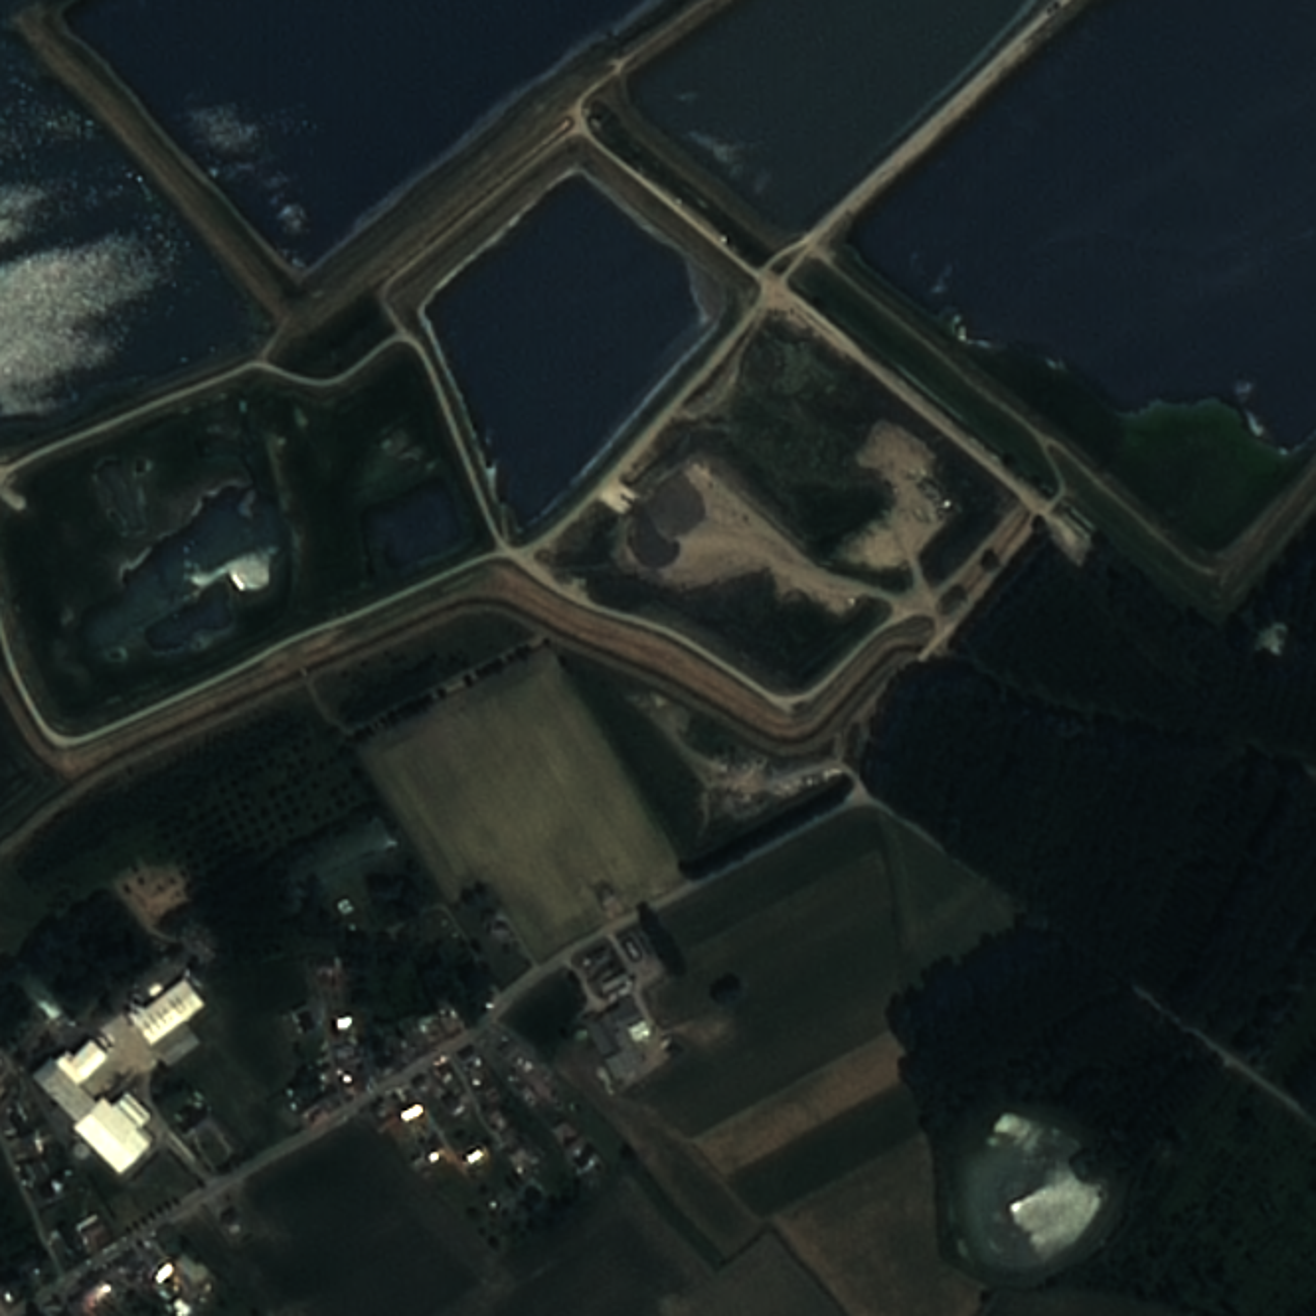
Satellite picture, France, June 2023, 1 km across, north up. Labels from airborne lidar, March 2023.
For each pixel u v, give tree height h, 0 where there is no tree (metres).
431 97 0
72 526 0
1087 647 21
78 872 0
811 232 0
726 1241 0
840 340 0
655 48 0
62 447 0
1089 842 34
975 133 0
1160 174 0
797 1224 0
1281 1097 0
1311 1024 0
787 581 0
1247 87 0
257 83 0
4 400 0
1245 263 0
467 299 0
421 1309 0
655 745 0
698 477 0
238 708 0
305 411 0
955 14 0
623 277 0
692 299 0
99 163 0
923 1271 0
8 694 0
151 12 0
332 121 0
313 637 0
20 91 0
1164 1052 5
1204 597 0
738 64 0
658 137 0
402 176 0
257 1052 0
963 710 30
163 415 0
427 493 0
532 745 0
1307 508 0
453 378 0
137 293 0
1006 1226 0
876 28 0
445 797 0
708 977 0
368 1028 0
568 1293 0
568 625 0
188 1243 10
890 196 0
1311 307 0
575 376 0
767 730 0
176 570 0
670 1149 0
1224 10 0
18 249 0
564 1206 9
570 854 0
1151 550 0
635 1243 0
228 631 0
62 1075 0
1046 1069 26
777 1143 0
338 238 0
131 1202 0
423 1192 0
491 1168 0
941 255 0
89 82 0
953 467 0
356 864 0
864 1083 0
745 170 0
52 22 0
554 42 0
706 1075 0
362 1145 0
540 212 0
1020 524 0
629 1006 0
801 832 0
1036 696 0
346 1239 0
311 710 0
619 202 0
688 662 0
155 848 0
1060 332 0
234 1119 0
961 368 0
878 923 0
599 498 0
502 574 0
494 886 0
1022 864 27
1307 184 0
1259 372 0
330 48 0
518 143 0
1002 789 34
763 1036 0
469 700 0
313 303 0
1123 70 0
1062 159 0
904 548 0
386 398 0
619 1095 0
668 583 0
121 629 0
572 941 0
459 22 0
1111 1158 6
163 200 0
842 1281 0
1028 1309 0
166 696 0
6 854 0
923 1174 0
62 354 0
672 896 0
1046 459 0
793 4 0
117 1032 0
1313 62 0
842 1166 0
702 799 0
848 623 0
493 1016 0
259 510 0
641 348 0
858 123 0
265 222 0
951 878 0
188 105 0
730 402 0
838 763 0
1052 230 0
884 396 0
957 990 33
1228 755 11
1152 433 0
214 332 0
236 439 0
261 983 0
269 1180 0
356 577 0
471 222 0
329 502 0
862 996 0
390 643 0
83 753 0
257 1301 0
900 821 0
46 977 14
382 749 0
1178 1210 0
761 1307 0
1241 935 36
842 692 0
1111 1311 0
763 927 0
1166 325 0
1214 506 0
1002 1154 0
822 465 0
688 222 0
